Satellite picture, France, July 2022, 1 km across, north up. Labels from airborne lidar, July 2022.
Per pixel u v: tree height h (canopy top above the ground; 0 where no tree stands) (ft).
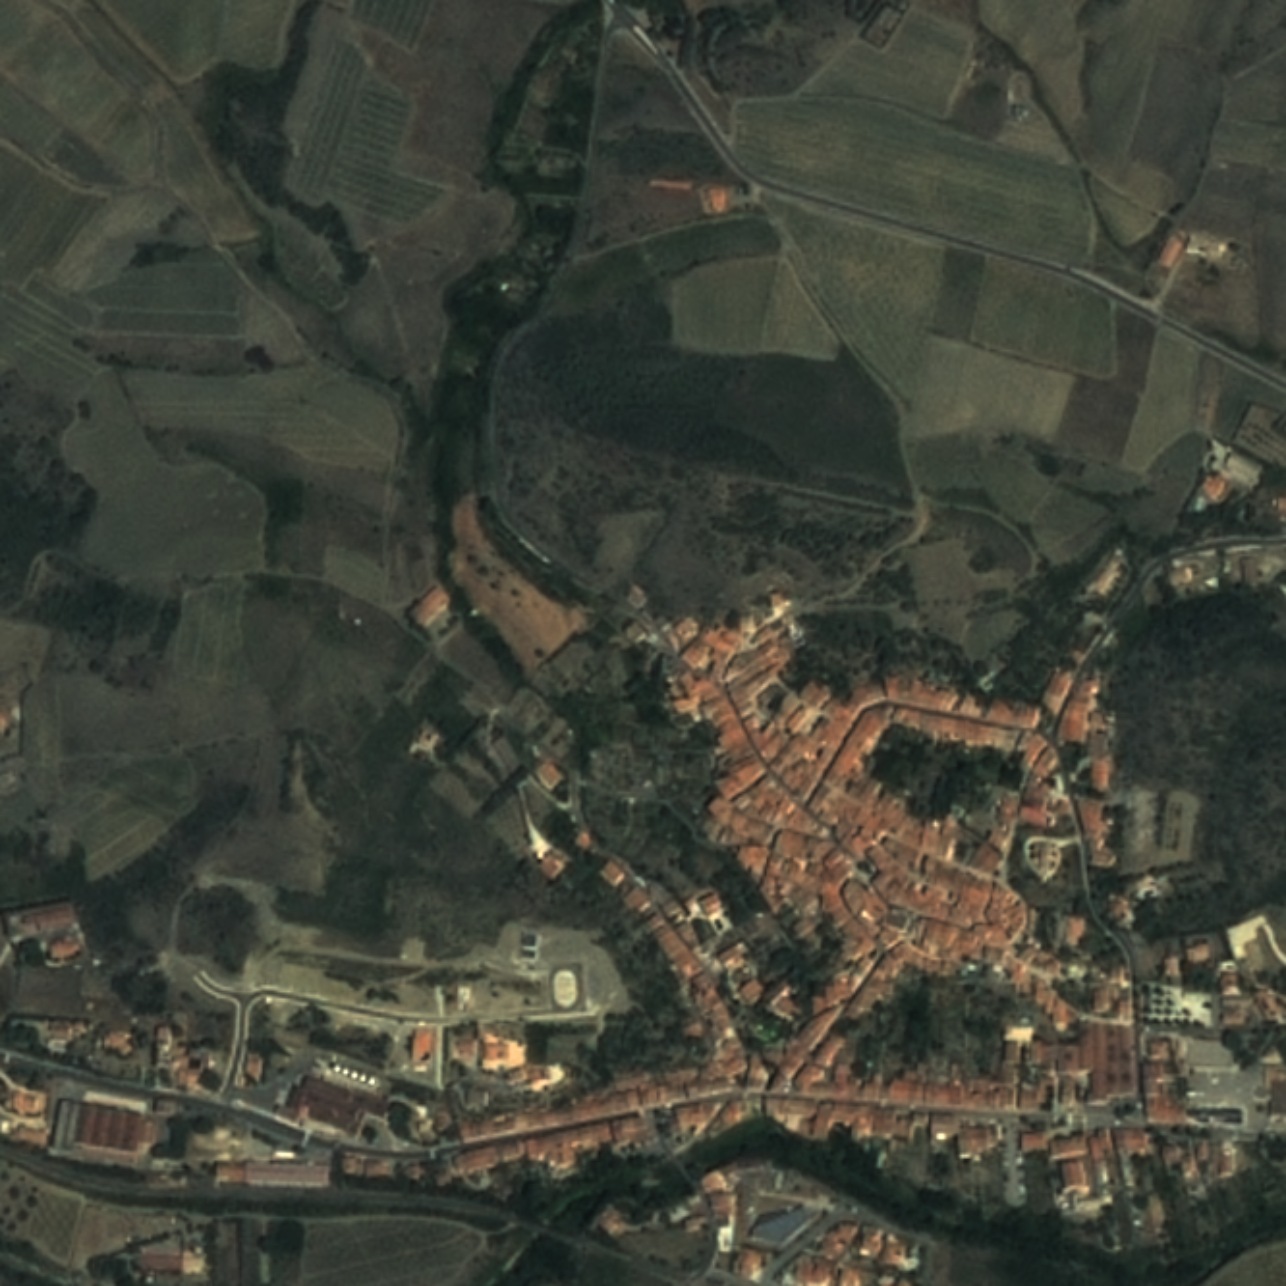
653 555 0
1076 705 0
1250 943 0
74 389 0
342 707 0
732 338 0
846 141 0
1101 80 0
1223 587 22
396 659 0
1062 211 0
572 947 0
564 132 23
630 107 0
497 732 23
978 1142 0
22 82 0
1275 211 0
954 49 0
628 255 0
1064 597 24
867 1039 23
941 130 0
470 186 0
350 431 0
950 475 0
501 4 0
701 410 17
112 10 0
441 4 0
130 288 0
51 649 0
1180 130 0
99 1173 20
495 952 0
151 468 0
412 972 0
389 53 0
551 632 0
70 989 0
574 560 0
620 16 0
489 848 0
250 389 0
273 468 0
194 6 0
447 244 0
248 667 0
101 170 0
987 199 0
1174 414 0
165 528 0
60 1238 0
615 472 0
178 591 0
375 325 0
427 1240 0
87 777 0
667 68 0
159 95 0
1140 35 0
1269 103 0
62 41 0
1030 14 0
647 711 25
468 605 40
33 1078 25
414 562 0
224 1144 0
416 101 0
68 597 24
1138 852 0
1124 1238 0
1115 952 35
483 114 0
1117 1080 0
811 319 0
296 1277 0
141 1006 22
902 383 0
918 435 0
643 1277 0
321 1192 0
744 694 0
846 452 0
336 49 0
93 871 0
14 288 0
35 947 32
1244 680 0
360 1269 0
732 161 0
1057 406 0
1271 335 0
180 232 0
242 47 0
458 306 26
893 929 0
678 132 0
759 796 0
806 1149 22
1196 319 0
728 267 0
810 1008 47
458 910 0
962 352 0
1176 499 0
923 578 0
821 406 0
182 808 0
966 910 0
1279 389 0
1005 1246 39
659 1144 0
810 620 33
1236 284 0
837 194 0
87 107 0
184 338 0
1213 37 0
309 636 0
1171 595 46
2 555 20
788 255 0
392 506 0
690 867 33
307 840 0
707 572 0
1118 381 0
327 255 0
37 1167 0
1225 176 0
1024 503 0
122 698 0
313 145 0
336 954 0
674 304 0
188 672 0
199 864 0
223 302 0
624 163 0
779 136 0
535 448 0
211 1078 47
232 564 0
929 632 29
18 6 0
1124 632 25
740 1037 22
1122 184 0
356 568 0
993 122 0
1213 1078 0
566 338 0
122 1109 0
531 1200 58
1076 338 0
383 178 0
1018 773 41
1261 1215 25
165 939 0
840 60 0
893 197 0
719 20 28
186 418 0
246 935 0
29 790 0
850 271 0
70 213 0
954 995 0
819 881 0
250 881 0
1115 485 0
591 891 19
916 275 0
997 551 0
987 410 0
